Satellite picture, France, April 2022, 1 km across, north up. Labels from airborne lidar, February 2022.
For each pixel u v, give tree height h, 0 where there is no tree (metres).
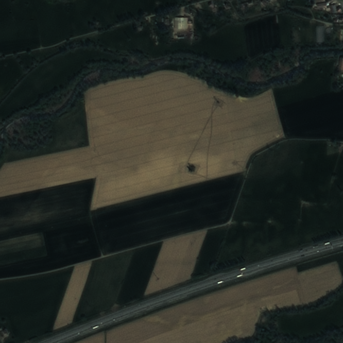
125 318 0
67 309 0
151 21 0
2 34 0
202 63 16
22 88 0
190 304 0
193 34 0
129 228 0
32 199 0
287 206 0
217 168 0
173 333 0
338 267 0
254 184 0
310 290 0
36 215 0
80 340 0
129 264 0
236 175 0
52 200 0
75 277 0
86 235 0
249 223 0
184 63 7
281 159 0
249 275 0
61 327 0
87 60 0
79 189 0
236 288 0
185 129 0
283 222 0
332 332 26
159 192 0
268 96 0
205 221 0
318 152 0
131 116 0
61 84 0
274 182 0
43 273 0
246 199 0
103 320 0
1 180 0
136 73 17
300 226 0
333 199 0
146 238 0
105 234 0
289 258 0
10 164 0
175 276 0
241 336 0
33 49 0
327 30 0
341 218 0
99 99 0
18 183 0
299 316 0
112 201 0
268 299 0
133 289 0
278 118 0
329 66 0
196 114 0
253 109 0
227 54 0
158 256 0
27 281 0
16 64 0
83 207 0
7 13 0
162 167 0
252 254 0
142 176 0
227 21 15
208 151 0
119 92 0
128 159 0
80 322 0
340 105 0
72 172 0
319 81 0
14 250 0
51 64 0
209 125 0
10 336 0
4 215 0
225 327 0
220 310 0
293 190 0
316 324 0
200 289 0
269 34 0
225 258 0
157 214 0
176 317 0
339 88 28
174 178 0
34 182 0
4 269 0
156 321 0
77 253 0
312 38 0
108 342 0
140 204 0
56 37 0
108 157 0
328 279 0
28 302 0
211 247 0
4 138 14
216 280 0
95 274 0
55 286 0
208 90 0
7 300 0
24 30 0
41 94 0
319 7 0
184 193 0
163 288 0
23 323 0
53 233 0
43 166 0
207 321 0
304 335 0
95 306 0
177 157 0
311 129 0
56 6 0
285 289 0
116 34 0
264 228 0
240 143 0
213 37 0
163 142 0
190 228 0
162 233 0
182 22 0
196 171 0
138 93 0
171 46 0
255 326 0
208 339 0
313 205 0
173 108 0
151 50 0
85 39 0
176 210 0
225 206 0
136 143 0
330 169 0
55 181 0
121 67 15
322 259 0
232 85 0
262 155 0
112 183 0
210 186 0
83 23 0
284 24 0
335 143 11
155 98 0
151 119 0
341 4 0
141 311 0
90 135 0
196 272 0
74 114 0
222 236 0
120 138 0
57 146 0
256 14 0
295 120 0
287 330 0
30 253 0
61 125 0
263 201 0
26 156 0
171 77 0
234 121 0
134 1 0
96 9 0
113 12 0
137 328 0
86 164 0
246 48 0
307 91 0
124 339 0
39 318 0
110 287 0
